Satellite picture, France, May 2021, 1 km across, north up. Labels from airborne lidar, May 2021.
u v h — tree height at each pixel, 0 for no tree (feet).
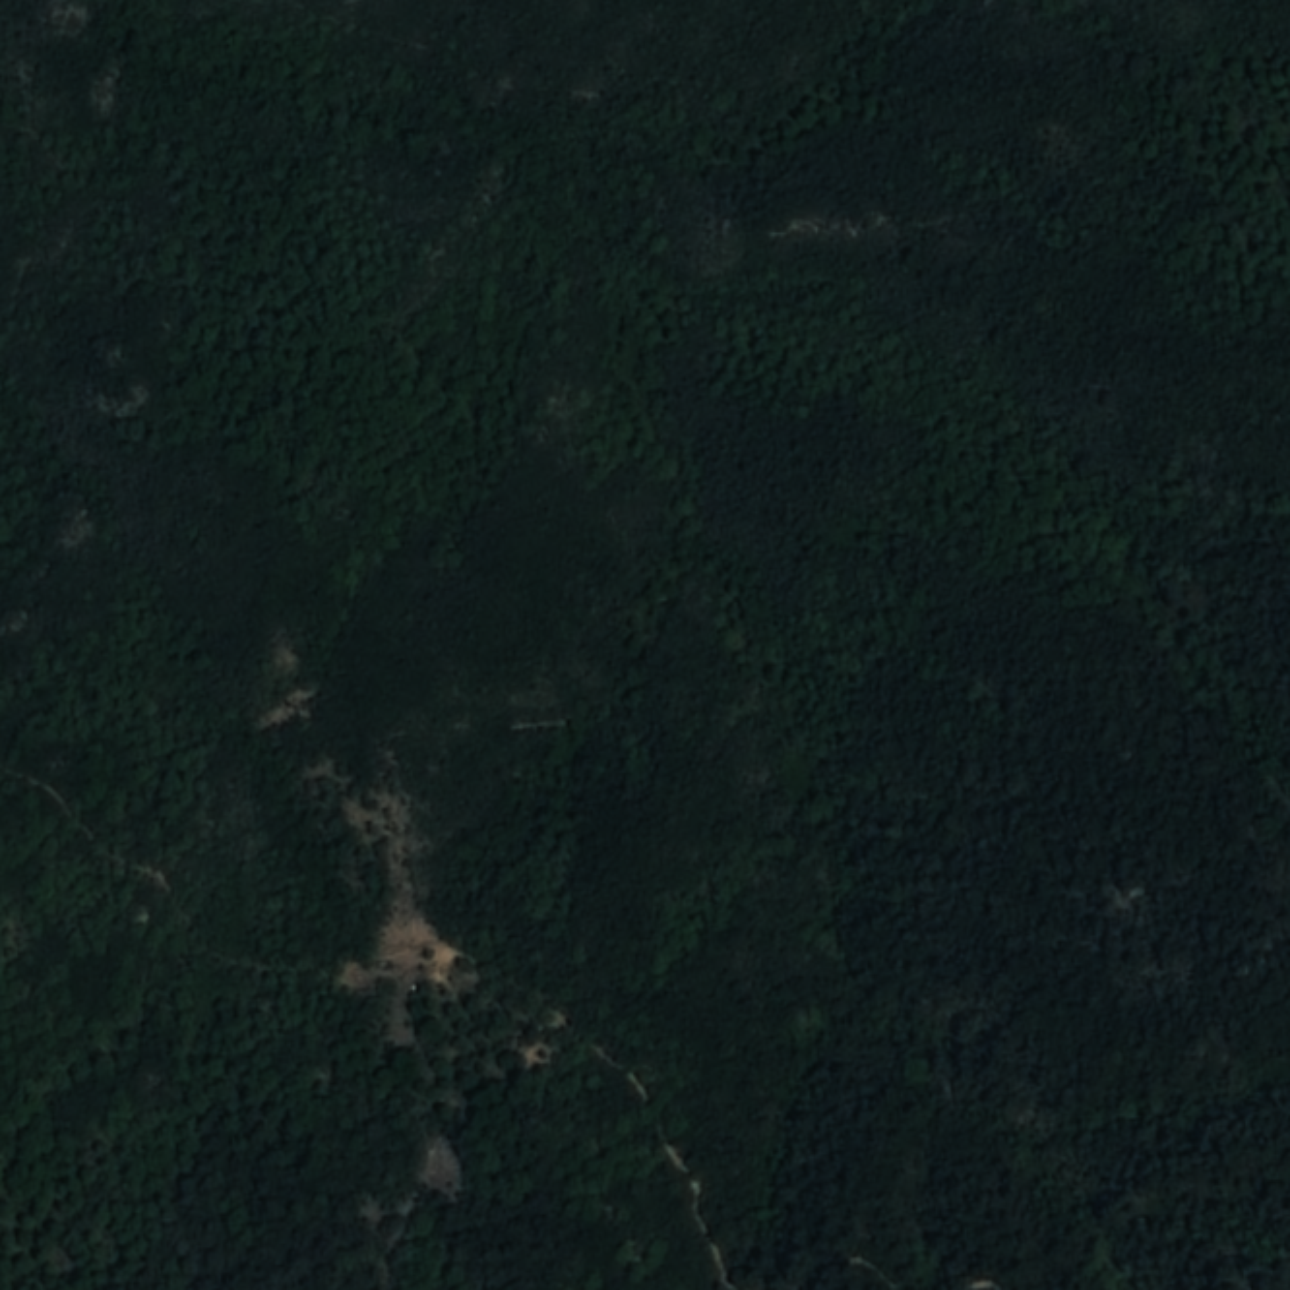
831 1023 27
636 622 58
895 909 34
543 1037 23
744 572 36
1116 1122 29
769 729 40
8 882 24
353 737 24
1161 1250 23
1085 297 32
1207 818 35
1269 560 39
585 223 33
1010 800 22
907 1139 20
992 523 57
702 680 21
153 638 35
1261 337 39
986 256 34
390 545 51
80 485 31
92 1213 23
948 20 41
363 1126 37
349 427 45
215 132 32
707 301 35
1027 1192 22
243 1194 32
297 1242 22
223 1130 41
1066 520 67
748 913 30
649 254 21
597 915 20
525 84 18
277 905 33
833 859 24
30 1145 56
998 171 39
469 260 24
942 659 35
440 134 30
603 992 40
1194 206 37
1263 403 39
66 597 23
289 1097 47
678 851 25
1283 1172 18
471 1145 49
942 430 57
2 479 51
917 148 38
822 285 21
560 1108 35
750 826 26
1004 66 26
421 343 42
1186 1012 41
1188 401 21
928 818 38
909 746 47
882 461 30
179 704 20
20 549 54
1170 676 75
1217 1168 43
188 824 24
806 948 23
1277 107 33
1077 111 36
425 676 19
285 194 33
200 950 28
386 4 20
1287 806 54
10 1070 51
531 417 18
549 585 21
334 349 31
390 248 23
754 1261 62
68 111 24
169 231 35
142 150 24
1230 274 66
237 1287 55
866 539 47
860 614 32
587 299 28
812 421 22
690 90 35
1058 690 39
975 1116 48
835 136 24
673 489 22
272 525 20
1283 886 19
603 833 37
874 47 25
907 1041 24
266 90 32
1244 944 35
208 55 40
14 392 37
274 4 17
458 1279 50
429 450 54
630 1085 29
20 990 42
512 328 35
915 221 24
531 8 29
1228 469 23
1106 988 23
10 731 35
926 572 33
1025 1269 70
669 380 20
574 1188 63
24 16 25
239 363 69
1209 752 29
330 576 39
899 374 30
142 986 62
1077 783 43
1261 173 43
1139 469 31
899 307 24
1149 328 21
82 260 42
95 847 33
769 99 35
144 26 31
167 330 28
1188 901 33
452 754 17
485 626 20
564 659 26
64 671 35
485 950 38
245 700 22
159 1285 49
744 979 20
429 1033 53
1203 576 63
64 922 57
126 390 24
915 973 56
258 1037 38
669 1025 22
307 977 28
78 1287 72
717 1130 41
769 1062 51
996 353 26
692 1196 25
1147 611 48
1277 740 44
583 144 31
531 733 34
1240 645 28
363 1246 43
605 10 37
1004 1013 20
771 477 27
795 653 21
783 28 27
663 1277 37
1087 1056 50
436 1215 26
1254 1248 42
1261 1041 60
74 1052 50
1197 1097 31
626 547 22
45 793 31
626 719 29
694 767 42
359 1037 46
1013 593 36
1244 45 37
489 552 21
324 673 22
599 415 40
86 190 26
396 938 0
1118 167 29
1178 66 29
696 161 36
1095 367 27
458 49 20
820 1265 43
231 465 25
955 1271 65
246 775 24
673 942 60
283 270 64
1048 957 43
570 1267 25
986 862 25
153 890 21
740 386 50
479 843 27
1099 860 26
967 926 23
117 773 27
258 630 22
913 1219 29
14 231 23
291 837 27
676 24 23
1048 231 36
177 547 21
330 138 23
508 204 33
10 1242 52
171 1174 47
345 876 32
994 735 33
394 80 56
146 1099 20
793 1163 44
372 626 21
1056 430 41
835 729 33
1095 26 52
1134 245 37
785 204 18
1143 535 33
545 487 21
